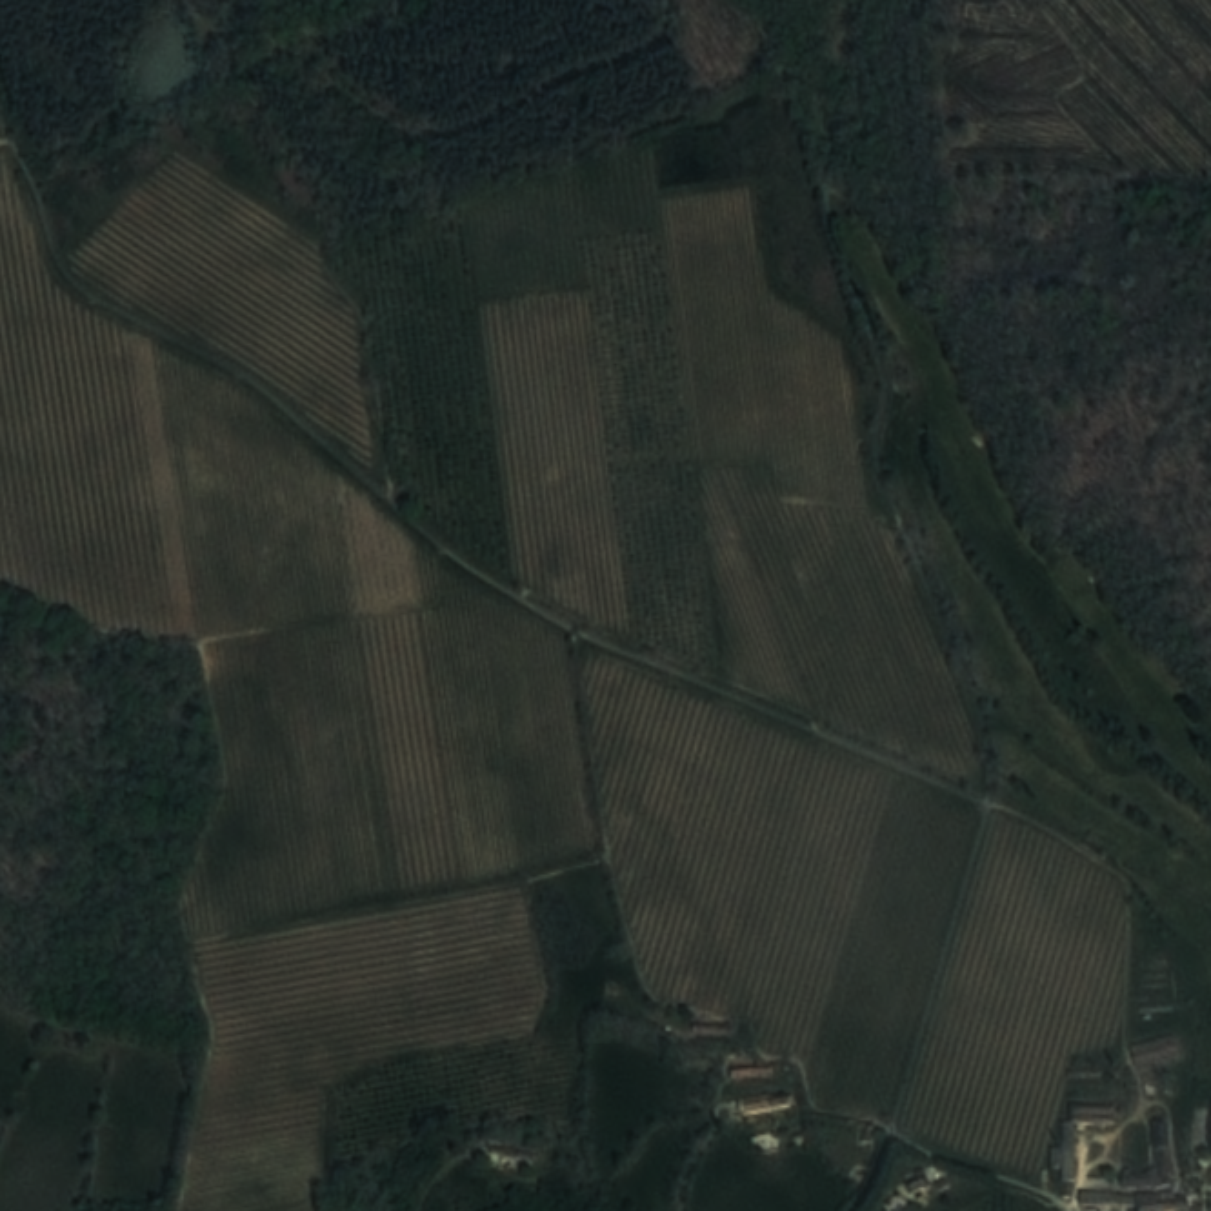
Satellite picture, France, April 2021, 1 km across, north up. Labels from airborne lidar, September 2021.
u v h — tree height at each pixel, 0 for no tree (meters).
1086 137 0
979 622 0
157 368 0
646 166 0
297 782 0
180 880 12
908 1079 0
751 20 25
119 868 21
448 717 0
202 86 15
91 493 0
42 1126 0
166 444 0
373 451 0
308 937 0
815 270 0
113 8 22
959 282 19
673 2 22
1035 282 16
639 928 0
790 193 0
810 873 0
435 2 19
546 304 0
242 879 0
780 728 0
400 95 19
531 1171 11
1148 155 0
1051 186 16
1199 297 7
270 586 0
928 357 0
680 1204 15
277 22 18
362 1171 19
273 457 0
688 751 0
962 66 0
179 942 13
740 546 0
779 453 0
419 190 19
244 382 0
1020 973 0
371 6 20
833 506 0
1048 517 22
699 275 0
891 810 0
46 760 18
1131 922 0
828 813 0
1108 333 20
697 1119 12
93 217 0
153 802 19
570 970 18
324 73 12
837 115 21
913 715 0
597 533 0
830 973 0
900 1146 12
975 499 0
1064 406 19
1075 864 0
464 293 0
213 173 0
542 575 0
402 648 0
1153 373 15
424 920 0
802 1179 0
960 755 0
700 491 0
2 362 0
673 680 0
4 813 17
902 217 19
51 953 22
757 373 0
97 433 0
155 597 0
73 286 0
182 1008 17
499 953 0
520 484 0
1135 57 0
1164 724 0
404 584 0
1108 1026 0
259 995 0
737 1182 0
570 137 17
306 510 0
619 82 19
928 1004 0
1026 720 0
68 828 19
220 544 0
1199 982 0
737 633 0
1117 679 0
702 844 0
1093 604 0
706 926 0
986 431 23
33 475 0
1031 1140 0
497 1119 9
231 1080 0
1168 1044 0
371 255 6
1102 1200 0
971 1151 0
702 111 22
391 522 0
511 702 0
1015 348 21
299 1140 0
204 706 13
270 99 20
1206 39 0
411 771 0
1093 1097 0
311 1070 0
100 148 8
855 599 0
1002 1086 0
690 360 0
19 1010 17
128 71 9
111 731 18
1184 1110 0
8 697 12
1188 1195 9
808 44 23
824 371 0
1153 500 9
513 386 0
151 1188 0
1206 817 16
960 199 13
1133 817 14
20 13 19
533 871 0
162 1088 0
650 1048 16
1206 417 18
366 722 0
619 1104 0
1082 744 0
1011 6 0
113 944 20
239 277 0
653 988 0
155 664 14
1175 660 21
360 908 0
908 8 21
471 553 0
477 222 0
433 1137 20
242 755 0
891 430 0
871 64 21
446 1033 0
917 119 18
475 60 22
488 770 0
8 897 19
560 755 0
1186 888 0
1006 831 0
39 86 22
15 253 0
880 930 0
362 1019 0
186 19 23
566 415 0
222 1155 0
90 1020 21
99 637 16
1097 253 9
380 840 0
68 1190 0
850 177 23
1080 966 0
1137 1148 0
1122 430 19
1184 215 10
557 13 17
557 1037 0
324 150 15
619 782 0
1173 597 15
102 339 0
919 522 0
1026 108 0
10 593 15
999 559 0
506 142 18
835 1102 0
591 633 11
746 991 0
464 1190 0
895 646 0
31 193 0
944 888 0
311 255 0
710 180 0
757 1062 6
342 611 0
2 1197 0
